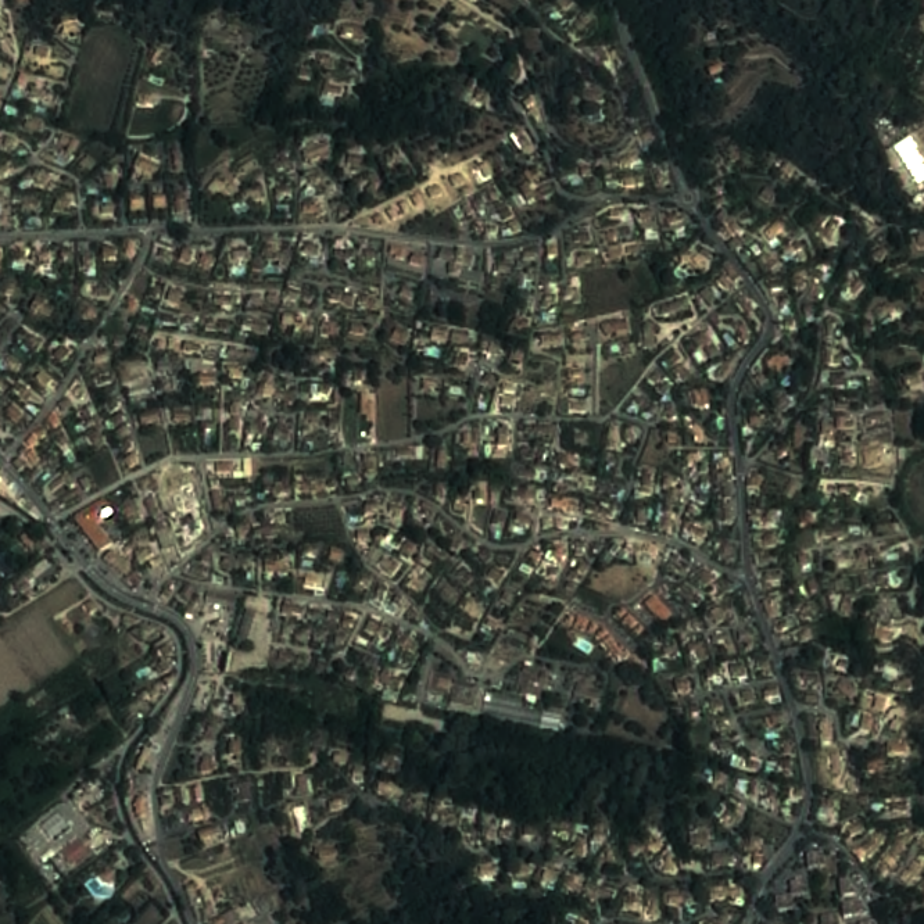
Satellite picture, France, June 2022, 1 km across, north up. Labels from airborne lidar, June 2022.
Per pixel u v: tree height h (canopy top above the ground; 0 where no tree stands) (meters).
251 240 8
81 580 0
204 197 7
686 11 13
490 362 0
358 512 9
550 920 23
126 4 16
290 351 12
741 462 0
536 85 23
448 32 12
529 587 8
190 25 21
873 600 10
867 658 18
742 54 17
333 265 14
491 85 12
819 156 7
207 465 0
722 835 7
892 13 17
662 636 9
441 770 6
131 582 0
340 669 18
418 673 7
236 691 8
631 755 20
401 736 8
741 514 0
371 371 18
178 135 6
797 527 7
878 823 8
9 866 11
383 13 18
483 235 6
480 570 8
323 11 26
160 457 7
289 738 7
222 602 0
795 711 0
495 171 6
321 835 6
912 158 0
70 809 0
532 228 10
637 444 7
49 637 0
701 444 5
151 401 11
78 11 11
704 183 9
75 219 11
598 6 6
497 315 14
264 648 0
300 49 11
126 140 6
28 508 0
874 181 14
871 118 8
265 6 22
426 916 23
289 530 0
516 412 0
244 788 0
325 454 6
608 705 8
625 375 0
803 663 20
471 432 0
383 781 9
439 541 10
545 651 9
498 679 0
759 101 10
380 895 0
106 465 0
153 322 6
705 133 12
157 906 8
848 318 7
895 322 7
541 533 0
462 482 15
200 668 0
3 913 8
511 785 16
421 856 21
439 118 21
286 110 14
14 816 10
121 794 10
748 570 0
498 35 14
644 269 0
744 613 7
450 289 14
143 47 6
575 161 11
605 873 11
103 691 18
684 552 11
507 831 0
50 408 0
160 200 0
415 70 8
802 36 7
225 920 0
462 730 26
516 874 25
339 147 12
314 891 25
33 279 7
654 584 0
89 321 6
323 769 10
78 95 0
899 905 7
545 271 6
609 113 7
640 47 18
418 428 11
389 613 0
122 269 9
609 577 0
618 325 0
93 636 0
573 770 15
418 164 6
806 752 8
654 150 14
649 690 19
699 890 18
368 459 0
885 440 0
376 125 21
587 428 6
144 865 11
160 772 0
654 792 20
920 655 6
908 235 11
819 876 13
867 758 11
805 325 8
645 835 8
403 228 9
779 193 13
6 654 0
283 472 9
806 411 8
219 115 0
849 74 12
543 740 7
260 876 0
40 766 8
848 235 19
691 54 12
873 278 15
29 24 9
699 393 0
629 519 8
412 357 11
